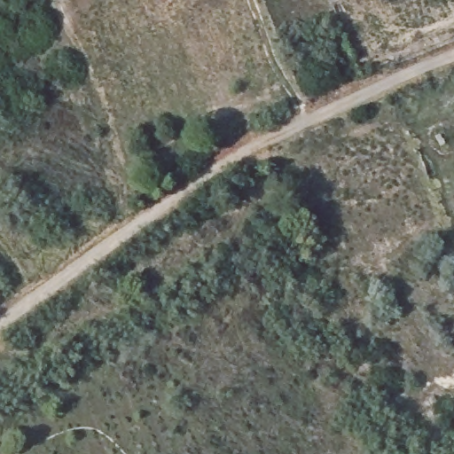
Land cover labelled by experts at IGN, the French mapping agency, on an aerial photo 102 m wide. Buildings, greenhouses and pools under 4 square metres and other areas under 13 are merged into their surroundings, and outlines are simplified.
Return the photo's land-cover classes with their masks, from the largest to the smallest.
<instances>
[{"label":"herbaceous vegetation","instance_id":"1","mask_svg":"<svg viewBox=\"0 0 454 454\"><path fill-rule=\"evenodd\" d=\"M27 11L44 12L50 18L51 32L48 34V41L53 44L41 55H35L27 62H18L16 67L35 71L39 78H44L43 67L46 66V59L53 55V51L71 46L67 50V57L78 69L80 87L60 94V90L46 82L43 96H35L34 92L28 90L23 96V110L32 112L30 122L25 124L21 121L11 122L4 117L0 119V186L7 179L14 177V184L23 192H27L28 199L35 206H41L46 199L57 202L60 197L55 192L67 190L71 193L69 207L82 218V223L73 229L74 238H78L74 243H66L64 248H43L41 245H35L28 234H16L12 231L18 225V218L14 213H5L0 207V317L12 303L34 293L43 282L50 280L59 271L66 270L71 262L78 261L82 255L113 236L121 229L122 222H131L138 213L153 207L154 204H160L168 195L183 190L188 183L209 172V168L213 167L220 154L231 151L229 147L236 144L245 145L259 133H247V121L243 113L259 112L261 103L271 105L286 98H294L293 87L280 73L271 50H262L266 35L259 28V20L252 18V9H248L245 0H28L25 4ZM161 113H174L183 121L186 117L193 121L199 115H207V131L211 137V144L209 153L206 154V158H202L199 167L188 168L183 174V170L177 165L176 154L170 153V149L161 145L160 140L154 137V126L151 121ZM138 126L140 133L144 135L145 144L153 153L156 167L165 174L163 183L156 186L151 197L142 193V184L133 181V174L142 160L137 154L129 151L131 135L128 129ZM275 27L282 21L289 23L291 16L310 18L316 16L317 12L333 11L330 25L346 32L356 57H362L364 62H381L383 71L380 74H392L445 51L454 50V0H264ZM257 160L270 161V170L277 174L278 183L286 184L293 192L294 199L300 202V206L309 209L310 215L316 216L317 229L325 234L326 243L319 250H312L310 255L326 257V261L339 259V282L348 293V307L335 310L330 316V323L358 317V321L364 323L372 335L378 337L376 344L383 351V356L390 360L387 378L378 387V390H383L387 394L383 401H387L395 413L408 415L406 426L427 431L426 438L420 445L424 449H429L431 443L442 440L440 429L434 427L431 422L436 419L434 399L438 395H454V348L450 346V340L442 335V326L429 323L426 307L427 303H433L438 312L454 317V294L450 293V289L438 291V277L443 257H454V64L427 71L424 78L417 82L404 83L403 87L395 89L388 96L355 106L349 112L340 113L339 117L309 126L303 129V135L296 140L287 138L278 144L259 147L252 156ZM426 231H431L433 236L442 239V250L434 254L433 261L427 262L424 268L426 282L415 284L410 280L406 284V280L411 277L408 266L413 257L411 243L419 241L420 234ZM371 278H378L381 284L394 289L397 307L383 303L381 298L365 300L369 293ZM376 82L374 76L346 83L340 89L330 92L328 96H321L319 99L309 98L307 112H314L316 108L328 105L335 99L346 98L356 90ZM255 211L250 206L234 209L218 215L215 220L202 223L197 231L181 234L179 238L172 239L161 254L153 259H142L137 264L135 268L138 273L147 268H154L168 286L174 289L177 275L186 271L188 266L193 268V262H199L204 257V248L220 243H231L232 238H238L239 231H243L245 220L248 216L254 215ZM82 275L90 284L89 293L83 296L78 310L71 312L66 323H55L53 330L46 337L41 348L37 349L39 353L44 355L53 346L62 349L73 335L80 332V326L85 321L106 319L108 314H119V310L128 309L126 301L115 289L96 284L92 266L83 271ZM264 287L257 291V287L248 278H241L236 298H223L218 307L209 310L204 326H184L179 332H172V339L161 340V348H168L167 380L151 376L142 383L140 392L131 395L128 388L124 387L129 378L122 374L124 362H106L98 371L89 372V381L71 383L67 390L60 388L53 381L46 383L44 390H51L59 397L57 410L66 411V417H55L48 424L21 426L20 429L21 433L25 434L20 454H367L358 433H349L348 429L342 433L328 424L330 413L335 408V392L332 388L325 387L323 381L330 374V369L321 367L316 380H312L303 362H296L287 356L284 349L278 348V333L268 332L262 326V316L268 310L266 305H261ZM186 387L192 388L193 394L202 395L199 410L192 413L177 410L176 404L172 401V397H176ZM9 339V328L0 325V367L9 372L16 356L25 358L28 355L27 349L12 348L7 342Z\"/></svg>","mask_w":454,"mask_h":454},{"label":"brushwood","instance_id":"2","mask_svg":"<svg viewBox=\"0 0 454 454\"><path fill-rule=\"evenodd\" d=\"M257 170L266 179L264 192L259 186H238L232 183L227 188L229 195L225 202L231 204L234 209L250 206L255 211L254 215L248 216L245 220L243 231H239L238 238H232L231 243H220L204 248V257L199 262H193V268L188 266L186 271L177 275L174 289L168 286L154 268H147L138 273L135 268L137 264L133 261L115 262L117 271L122 275L117 280L115 289L126 301L128 309L119 310V314H108L106 319L85 321L80 326V332L73 335L62 349L53 346L44 355L39 353L37 349L41 348L46 337L39 326H32L30 332L25 335H16L9 339L7 342L12 348L27 349L28 355L25 358L16 356L9 372L0 367V434L4 433L5 429H20L21 426L48 424L55 417H66V411L57 410L59 397L51 390H44L46 383L53 381L60 388L67 390L71 383L89 381V372L98 371L106 362H124L122 374L129 378L124 387L128 388L131 395L140 392L142 383L151 376L167 380L168 348H161V340L172 339V332H179L184 326H204L209 310L218 307L223 298H236L241 278H248L257 287V291L264 287L261 305H266L268 310L262 316V326L268 332L278 333V348L284 349L287 356L296 362H303L312 380H316L321 367L330 369V374L323 381L325 387L332 388L335 392V408L330 413L328 424L342 433L348 429L349 433H358L367 454H454V395H438L434 399L436 419L431 422L434 427L440 429L442 440L431 443L429 449H424L420 445L426 438L427 431L406 426L408 415L395 413L387 401H383L387 394L383 390H378V387L387 378L390 360L383 356V351L376 344L378 337L372 335L364 323L358 321V317L330 323V316L335 310L348 307V293L339 282V259L326 261V257L310 255L312 250H319L326 243L325 234L317 229L316 216L310 215L309 209L300 206V202L294 199L293 192L286 184L278 183L277 174L270 170V161L257 160ZM190 216L195 222L202 223L215 220L218 215L215 207L199 206V211Z\"/></svg>","mask_w":454,"mask_h":454},{"label":"deciduous trees","instance_id":"3","mask_svg":"<svg viewBox=\"0 0 454 454\"><path fill-rule=\"evenodd\" d=\"M28 0H0V119L4 117L11 122L21 121L25 124L30 122L32 112L23 110V96L28 90L34 92L35 96H43L46 82L60 90V94L80 87L78 69L67 57V50L71 46L53 51V55L46 59V66L43 67L44 78H39L35 71L16 67L18 62H27L35 55H41L53 44L48 41V34L51 32L50 18L44 12L27 11L25 4ZM333 11L317 12L316 16L310 18L291 16L289 23L282 21L275 27L278 34L275 43H282L280 53L284 55L287 69L296 76L301 92L309 98L319 99L321 96H328L330 92L340 89L346 83L374 76L380 74L383 71L381 62H364L362 57H356L346 32L330 25ZM300 106L298 99L294 98H286L271 105L261 103L259 112L243 113L247 121V133H259L277 131L293 121ZM154 126V137L160 140L161 145L170 149V153L176 154L177 165L183 170V174L188 168L199 167L202 158H206V154L209 153L211 144V137L207 131V115H199L193 121L186 117L183 121L174 113H161L151 121ZM131 135L129 151L137 154L142 160L133 174V181L142 184V193L151 197L156 186L163 183L165 174L156 167L153 153L145 144L144 135L140 133L138 126L128 129ZM266 179L257 170V160L252 156L227 165L218 176L209 179L190 197L181 200L168 215L147 223L142 231H138L133 238L124 241L121 247L115 248L112 254L106 255L103 261L92 266L96 284L115 289L117 280L122 275L117 271L115 262L133 261L137 264L142 259H153L161 254L172 239L179 238L181 234L197 231L202 223L195 222L190 216L199 211V206L215 207L218 215L234 209L231 204L225 202L229 195L227 188L232 183L238 186H259L264 192ZM60 197L57 202L46 199L41 206H35L28 199L27 192H23L14 184V177L7 179L0 186V207L5 213H14L18 218V225L12 231L16 234H28L35 245H41L43 248H64L66 243H74L78 238H74L73 229L82 223V218L69 207L71 193L67 190L55 192ZM442 239L433 236L431 231H426L420 234L419 241L411 243L413 257L408 266L411 277L406 280V284L410 280L415 284L426 282L424 268L427 262L433 261L434 254L442 250ZM450 289V293L454 294V257H443L438 277V291ZM90 284L82 275L74 278L69 286L60 289L48 300L39 303L27 316L20 317L9 328V339L16 335H25L30 332L32 326H39L46 337L53 330L55 323H66L71 312L78 310L83 296L89 293ZM381 298L383 303L397 307L394 289L381 284L378 278H371L369 293L365 300ZM429 323L442 326V335L450 340V346L454 348V317L438 312L433 303H427L426 307ZM202 395L193 394L192 388L186 387L176 397H172V401L176 404L177 410L192 413L199 410ZM25 434L21 433L20 429H5L4 433L0 434V454H20Z\"/></svg>","mask_w":454,"mask_h":454},{"label":"pervious surface","instance_id":"4","mask_svg":"<svg viewBox=\"0 0 454 454\"><path fill-rule=\"evenodd\" d=\"M248 9H252V18L259 20V28L266 35L262 50H271L280 73L293 87L294 98L298 99L300 106L293 121L277 131L259 133L245 145L236 144L229 147L231 151L220 154L213 167L209 168V172L188 183L183 190L168 195L160 204H154L153 207L138 213L131 222H122L121 229L113 236L82 255L78 261L71 262L66 270L59 271L50 280L43 282L34 293L12 303L0 317V325L9 328L20 317L27 316L39 303L48 300L60 289L69 286L74 278L82 275L83 271L92 266L103 261L106 255L112 254L115 248L121 247L124 241L133 238L138 231H142L147 223L168 215L181 200L190 197L209 179L218 176L227 165L252 156L259 147L278 144L287 138L296 140L303 135V129L309 126L339 117L340 113L349 112L355 106L388 96L395 89L403 87L404 83L417 82L424 78L427 71L454 64V50L445 51L392 74H380L374 76L376 82L356 90L346 98L335 99L328 105L316 108L314 112H307L309 98L301 92L296 76L287 69L284 55L280 53L282 43H275L278 34L275 27L264 0H245Z\"/></svg>","mask_w":454,"mask_h":454}]
</instances>
